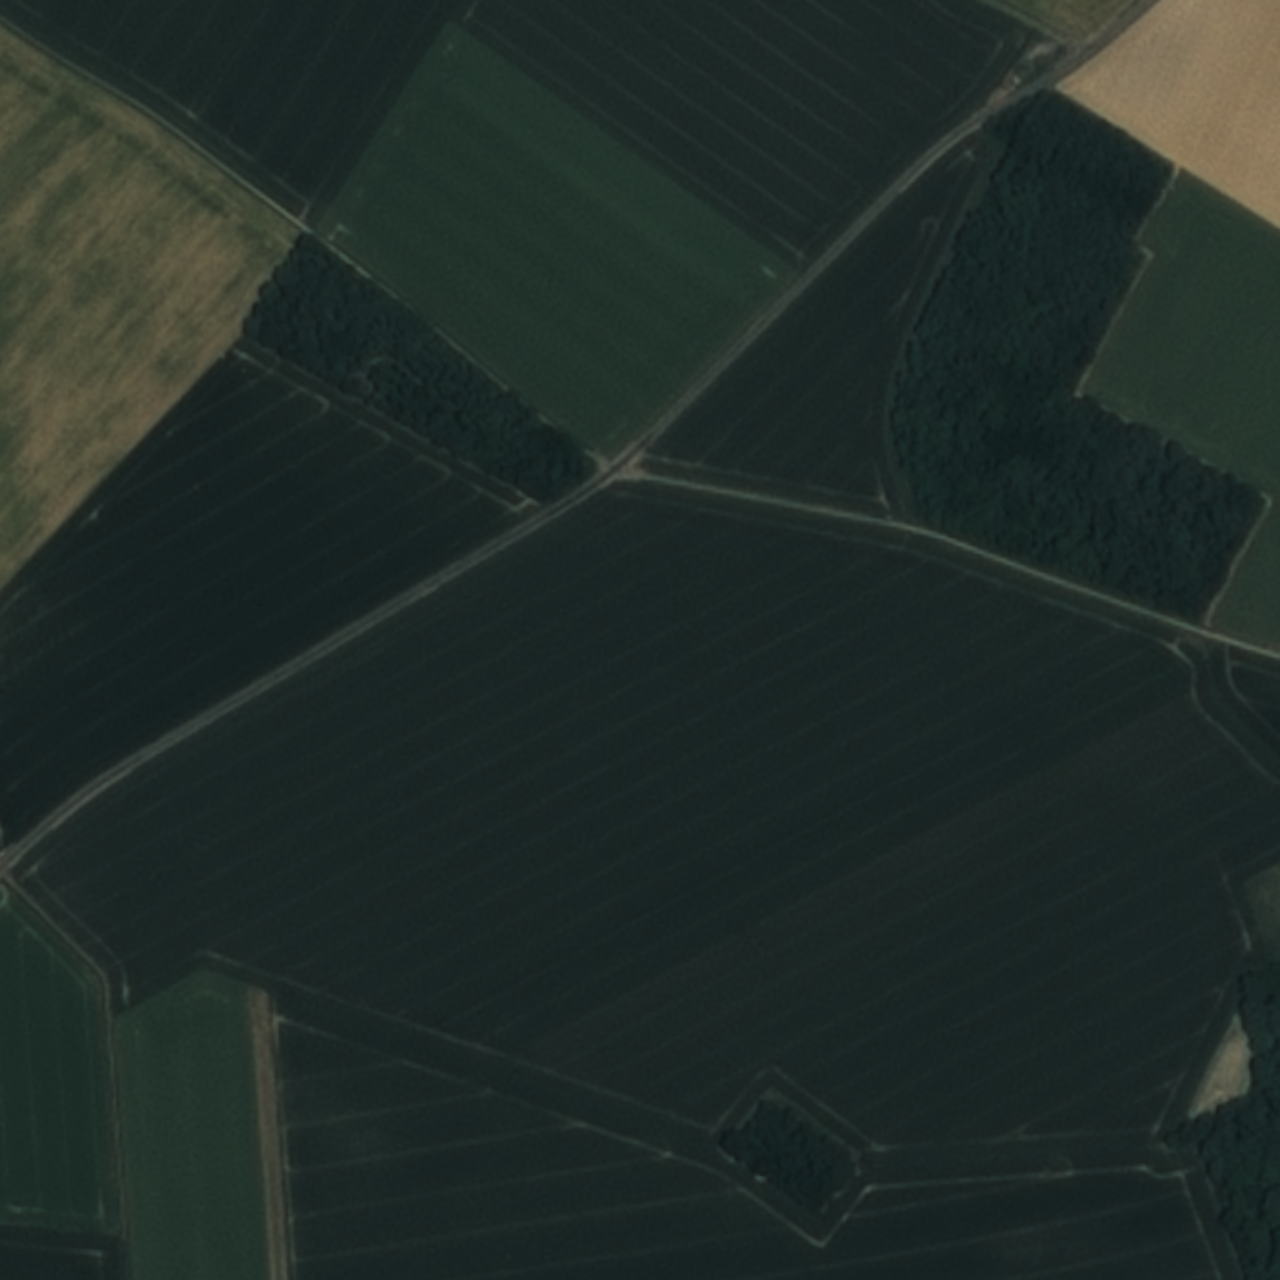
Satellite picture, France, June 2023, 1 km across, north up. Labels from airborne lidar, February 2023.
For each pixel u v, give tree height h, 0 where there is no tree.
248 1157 0
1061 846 0
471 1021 0
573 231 0
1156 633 0
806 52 0
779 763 0
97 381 0
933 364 18
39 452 0
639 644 0
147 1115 0
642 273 0
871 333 0
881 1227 0
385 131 0
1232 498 12
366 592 0
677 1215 0
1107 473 22
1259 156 0
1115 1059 0
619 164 0
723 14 0
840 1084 0
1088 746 0
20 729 0
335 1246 0
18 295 0
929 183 0
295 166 0
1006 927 0
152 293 0
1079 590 0
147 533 0
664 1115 0
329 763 0
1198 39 0
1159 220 0
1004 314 23
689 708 0
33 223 0
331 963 0
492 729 0
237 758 0
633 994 0
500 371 0
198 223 0
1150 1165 0
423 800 0
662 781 0
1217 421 0
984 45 0
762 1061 0
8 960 0
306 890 0
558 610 0
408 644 0
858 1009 0
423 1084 0
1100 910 0
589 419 0
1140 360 0
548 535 0
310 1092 0
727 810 0
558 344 0
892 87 0
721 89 0
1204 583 9
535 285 0
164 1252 0
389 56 0
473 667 0
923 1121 0
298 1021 0
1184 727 0
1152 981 0
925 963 0
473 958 0
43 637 0
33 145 0
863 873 0
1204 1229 0
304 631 0
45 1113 0
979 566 0
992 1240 0
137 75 0
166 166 0
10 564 0
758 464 0
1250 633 0
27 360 0
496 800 0
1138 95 0
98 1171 0
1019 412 13
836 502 0
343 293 13
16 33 0
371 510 0
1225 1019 0
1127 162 18
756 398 0
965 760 0
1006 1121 0
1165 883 0
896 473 0
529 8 0
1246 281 0
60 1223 0
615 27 0
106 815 0
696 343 0
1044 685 0
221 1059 0
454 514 0
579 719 0
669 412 0
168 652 0
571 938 0
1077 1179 0
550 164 0
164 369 0
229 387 0
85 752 0
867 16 0
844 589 0
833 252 0
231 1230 0
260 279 0
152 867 0
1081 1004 0
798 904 0
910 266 0
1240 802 0
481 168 0
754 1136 15
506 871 0
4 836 0
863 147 0
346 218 0
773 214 0
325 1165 0
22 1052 0
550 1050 0
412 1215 0
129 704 0
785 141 0
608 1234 0
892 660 0
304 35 0
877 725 0
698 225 0
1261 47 0
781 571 0
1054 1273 0
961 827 0
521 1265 0
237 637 0
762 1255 0
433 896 0
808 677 0
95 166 0
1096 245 21
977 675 0
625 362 0
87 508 0
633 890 0
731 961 0
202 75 0
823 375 0
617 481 0
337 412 0
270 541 0
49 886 0
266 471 0
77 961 0
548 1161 0
